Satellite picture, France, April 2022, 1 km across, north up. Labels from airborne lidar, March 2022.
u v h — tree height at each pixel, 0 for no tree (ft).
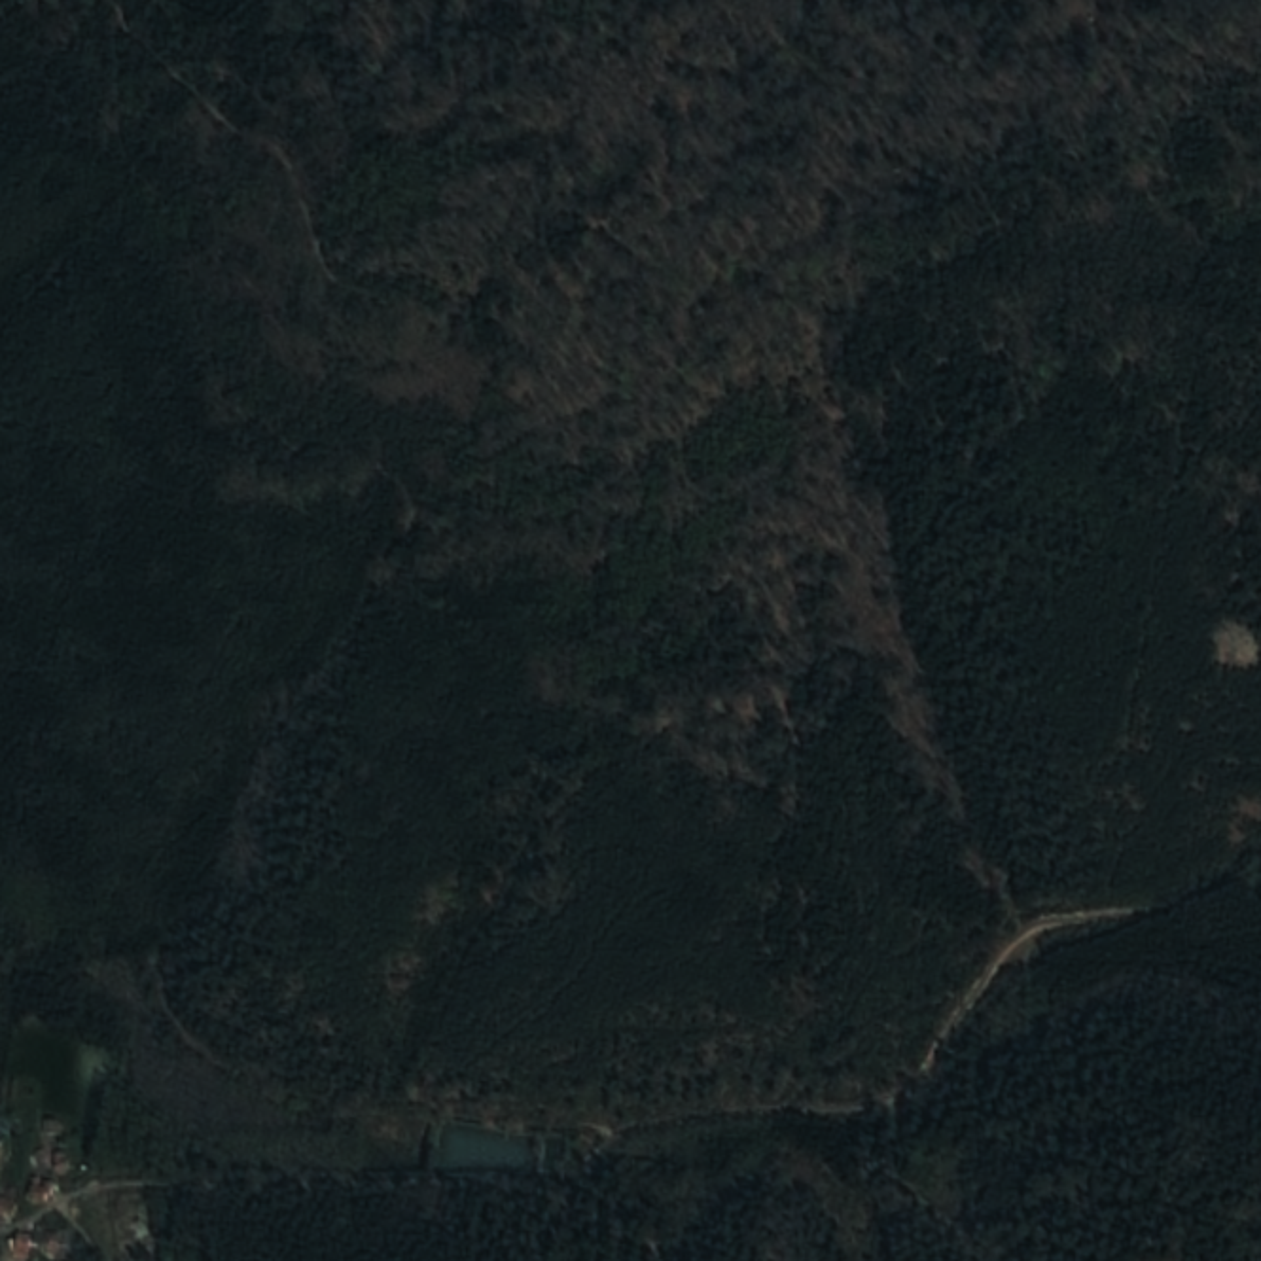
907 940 27
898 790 68
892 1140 83
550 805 61
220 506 63
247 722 48
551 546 46
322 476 50
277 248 46
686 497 79
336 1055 75
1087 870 29
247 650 50
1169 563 31
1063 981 73
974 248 59
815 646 97
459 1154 0
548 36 90
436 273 80
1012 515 29
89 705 57
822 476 102
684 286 93
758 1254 84
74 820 58
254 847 66
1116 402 38
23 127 53
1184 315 73
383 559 52
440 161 36
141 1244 0
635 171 87
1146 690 32
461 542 78
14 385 50
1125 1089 79
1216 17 104
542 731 32
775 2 117
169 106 52
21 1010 51
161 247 45
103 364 49
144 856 45
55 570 55
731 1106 25
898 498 77
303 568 41
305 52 72
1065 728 32
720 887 32
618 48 36
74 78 46
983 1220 21
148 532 59
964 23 105
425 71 91
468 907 31
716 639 40
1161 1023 60
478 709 33
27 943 24
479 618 33
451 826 35
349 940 31
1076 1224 70
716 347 93
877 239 69
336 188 45
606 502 95
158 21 39
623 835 29
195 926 33
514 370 73
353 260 79
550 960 24
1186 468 27
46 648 51
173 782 50
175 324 49
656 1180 39
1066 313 66
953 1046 21
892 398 65
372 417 43
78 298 48
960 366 76
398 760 30
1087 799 27
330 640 51
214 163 50
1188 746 20
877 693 90
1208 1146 79
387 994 39
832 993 26
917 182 97
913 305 74
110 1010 65
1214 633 34
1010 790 69
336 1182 55
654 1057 31
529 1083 31
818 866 55
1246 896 106
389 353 39
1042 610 38
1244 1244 37
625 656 48
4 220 45
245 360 35
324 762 31
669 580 36
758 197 19
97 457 55
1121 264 68
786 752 81
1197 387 47
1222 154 68
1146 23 104
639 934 24
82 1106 0
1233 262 72
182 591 52
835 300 101
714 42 107
